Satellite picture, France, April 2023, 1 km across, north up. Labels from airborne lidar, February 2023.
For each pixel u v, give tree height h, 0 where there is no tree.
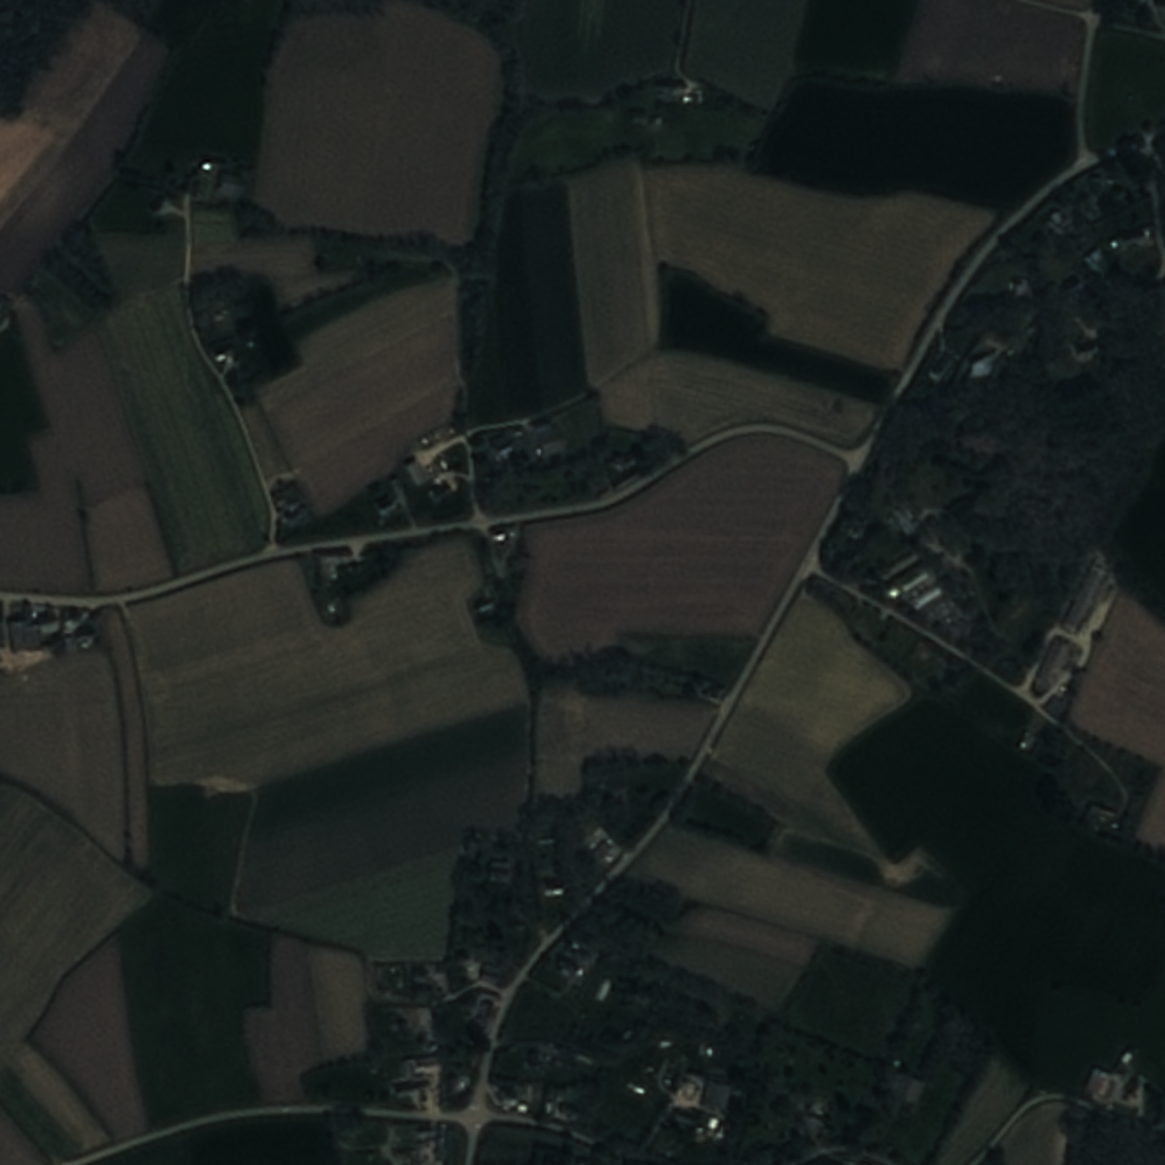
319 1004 0
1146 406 18
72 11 25
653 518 0
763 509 0
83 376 0
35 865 0
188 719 0
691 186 0
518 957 9
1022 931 0
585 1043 7
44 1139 0
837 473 0
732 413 0
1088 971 0
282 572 0
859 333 0
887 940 0
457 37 0
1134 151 18
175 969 0
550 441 0
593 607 0
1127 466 17
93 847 0
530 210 0
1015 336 12
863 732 0
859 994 0
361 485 0
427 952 0
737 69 0
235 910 0
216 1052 0
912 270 0
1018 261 13
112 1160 0
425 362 0
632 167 0
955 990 0
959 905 0
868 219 0
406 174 0
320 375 0
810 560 0
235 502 0
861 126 0
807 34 0
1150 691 0
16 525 0
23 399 0
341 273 0
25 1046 0
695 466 0
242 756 0
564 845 15
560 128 0
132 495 0
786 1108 15
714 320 0
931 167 0
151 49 0
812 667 0
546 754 0
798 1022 0
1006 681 12
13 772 0
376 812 0
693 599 0
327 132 0
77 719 0
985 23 0
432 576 0
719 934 0
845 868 0
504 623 11
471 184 0
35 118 0
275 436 0
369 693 0
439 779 0
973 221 0
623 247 0
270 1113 0
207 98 0
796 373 0
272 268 0
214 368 0
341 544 0
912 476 6
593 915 12
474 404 0
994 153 0
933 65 0
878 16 0
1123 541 0
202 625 0
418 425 0
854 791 0
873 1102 6
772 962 0
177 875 0
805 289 0
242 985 0
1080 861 0
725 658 0
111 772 0
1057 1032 0
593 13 0
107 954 0
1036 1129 0
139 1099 0
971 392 10
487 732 0
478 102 0
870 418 0
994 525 10
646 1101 0
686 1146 0
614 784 7
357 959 0
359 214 0
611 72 0
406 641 0
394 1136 0
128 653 0
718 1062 0
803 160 0
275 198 0
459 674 0
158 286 0
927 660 0
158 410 0
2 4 34
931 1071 8
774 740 0
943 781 0
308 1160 0
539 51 0
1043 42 0
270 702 0
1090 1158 13
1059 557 15
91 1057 0
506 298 0
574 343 0
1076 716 0
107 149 0
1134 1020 0
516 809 0
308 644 0
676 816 10
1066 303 17
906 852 0
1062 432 14
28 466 0
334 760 0
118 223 0
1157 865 9
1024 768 0
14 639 0
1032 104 0
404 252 9
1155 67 0
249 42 0
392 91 0
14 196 0
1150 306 20
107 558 0
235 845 0
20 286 0
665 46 0
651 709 0
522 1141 0
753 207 0
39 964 0
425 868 0
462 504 0
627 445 0
